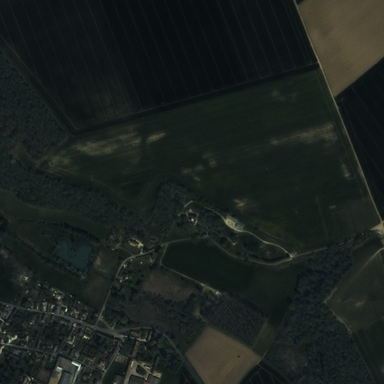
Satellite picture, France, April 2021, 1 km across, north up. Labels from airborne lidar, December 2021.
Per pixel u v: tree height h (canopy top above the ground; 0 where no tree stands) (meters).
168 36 0
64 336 9
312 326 17
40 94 0
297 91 0
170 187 23
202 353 0
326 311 16
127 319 24
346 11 0
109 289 0
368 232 12
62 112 0
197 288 0
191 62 0
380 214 0
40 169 0
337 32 0
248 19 0
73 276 17
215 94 0
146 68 0
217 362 0
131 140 0
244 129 0
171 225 22
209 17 0
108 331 0
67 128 0
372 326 0
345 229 0
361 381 21
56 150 0
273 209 0
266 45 0
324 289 21
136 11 0
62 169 0
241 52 0
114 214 19
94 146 0
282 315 0
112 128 0
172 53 0
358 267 0
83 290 0
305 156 0
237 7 0
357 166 0
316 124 0
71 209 13
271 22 0
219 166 0
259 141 0
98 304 0
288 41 0
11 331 0
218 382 0
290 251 0
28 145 14
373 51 0
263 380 0
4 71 17
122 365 0
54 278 0
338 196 0
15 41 0
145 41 0
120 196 0
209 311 22
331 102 0
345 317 0
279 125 0
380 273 0
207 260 0
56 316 0
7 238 0
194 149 0
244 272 0
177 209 23
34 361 9
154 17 0
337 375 22
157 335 15
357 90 0
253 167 0
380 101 0
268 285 0
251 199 0
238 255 14
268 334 0
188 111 0
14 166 19
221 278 0
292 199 0
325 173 0
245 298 0
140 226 14
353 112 0
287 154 0
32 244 0
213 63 0
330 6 0
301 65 0
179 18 0
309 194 0
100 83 0
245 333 38
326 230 0
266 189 0
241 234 0
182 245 0
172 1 0
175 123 0
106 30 0
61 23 0
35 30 0
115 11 0
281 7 0
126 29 0
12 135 17
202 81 0
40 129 20
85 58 0
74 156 0
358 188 0
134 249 0
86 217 7
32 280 6
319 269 8
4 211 0
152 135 0
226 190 0
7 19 0
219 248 0
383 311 0
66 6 0
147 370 0
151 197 0
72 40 0
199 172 0
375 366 0
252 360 0
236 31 0
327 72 0
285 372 8
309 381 40
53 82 0
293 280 0
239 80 0
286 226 0
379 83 0
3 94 21
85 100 0
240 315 39
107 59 0
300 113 0
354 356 18
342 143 0
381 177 0
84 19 0
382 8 0
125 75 0
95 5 0
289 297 0
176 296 0
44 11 0
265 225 0
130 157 0
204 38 0
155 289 0
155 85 0
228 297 33
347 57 0
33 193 23
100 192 14
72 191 19
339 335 20
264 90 0
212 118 0
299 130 0
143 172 0
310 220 0
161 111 0
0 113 20
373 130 0
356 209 0
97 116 0
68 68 0
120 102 0
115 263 0
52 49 0
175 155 0
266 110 0
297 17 0
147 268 0
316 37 0
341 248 22
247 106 0
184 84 0
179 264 0
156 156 0
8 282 0
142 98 0
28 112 19
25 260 0
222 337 0
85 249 0
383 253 0
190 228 16
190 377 0
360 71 0
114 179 0
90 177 0
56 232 0
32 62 0
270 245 0
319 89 0
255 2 0
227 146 0
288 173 0
